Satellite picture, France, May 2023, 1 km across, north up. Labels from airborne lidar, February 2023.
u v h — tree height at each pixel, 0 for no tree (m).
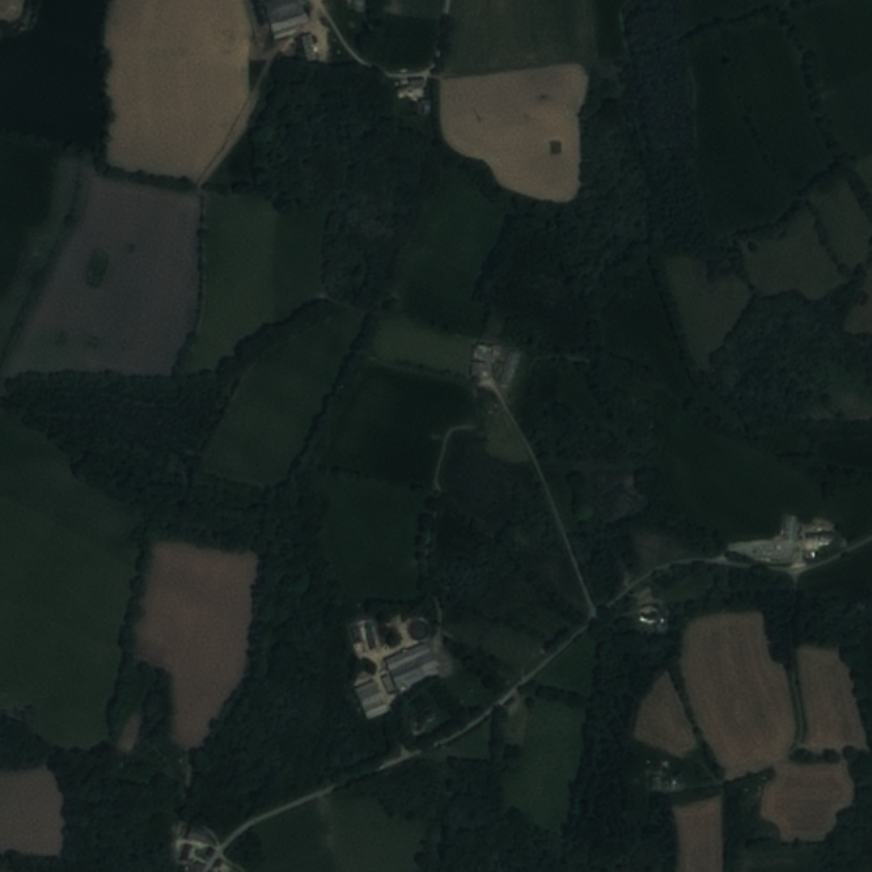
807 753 7
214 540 13
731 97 0
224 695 0
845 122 0
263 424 0
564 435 12
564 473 0
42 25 0
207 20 0
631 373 17
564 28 0
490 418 0
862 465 0
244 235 0
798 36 11
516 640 0
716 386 9
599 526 11
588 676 0
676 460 0
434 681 13
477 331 0
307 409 0
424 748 16
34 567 0
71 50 0
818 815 0
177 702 0
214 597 0
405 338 0
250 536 11
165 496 17
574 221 15
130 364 0
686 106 17
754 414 12
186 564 0
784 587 8
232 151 0
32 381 11
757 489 0
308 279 0
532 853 14
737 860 6
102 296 0
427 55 0
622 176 10
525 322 6
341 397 16
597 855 15
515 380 0
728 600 8
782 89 0
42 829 0
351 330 0
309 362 0
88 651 0
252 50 0
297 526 16
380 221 24
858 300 10
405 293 0
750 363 7
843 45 0
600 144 11
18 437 0
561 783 0
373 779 12
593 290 17
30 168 0
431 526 12
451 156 6
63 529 0
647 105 19
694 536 16
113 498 12
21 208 0
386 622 13
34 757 19
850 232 0
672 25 18
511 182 0
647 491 18
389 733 13
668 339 0
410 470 0
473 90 0
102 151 7
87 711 0
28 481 0
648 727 0
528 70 0
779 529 0
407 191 19
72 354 0
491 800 12
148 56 0
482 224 0
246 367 10
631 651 20
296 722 11
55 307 0
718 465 0
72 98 0
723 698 0
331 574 17
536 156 0
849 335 7
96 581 0
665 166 15
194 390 14
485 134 0
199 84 0
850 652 18
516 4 0
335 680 6
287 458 0
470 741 0
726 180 0
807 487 0
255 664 19
